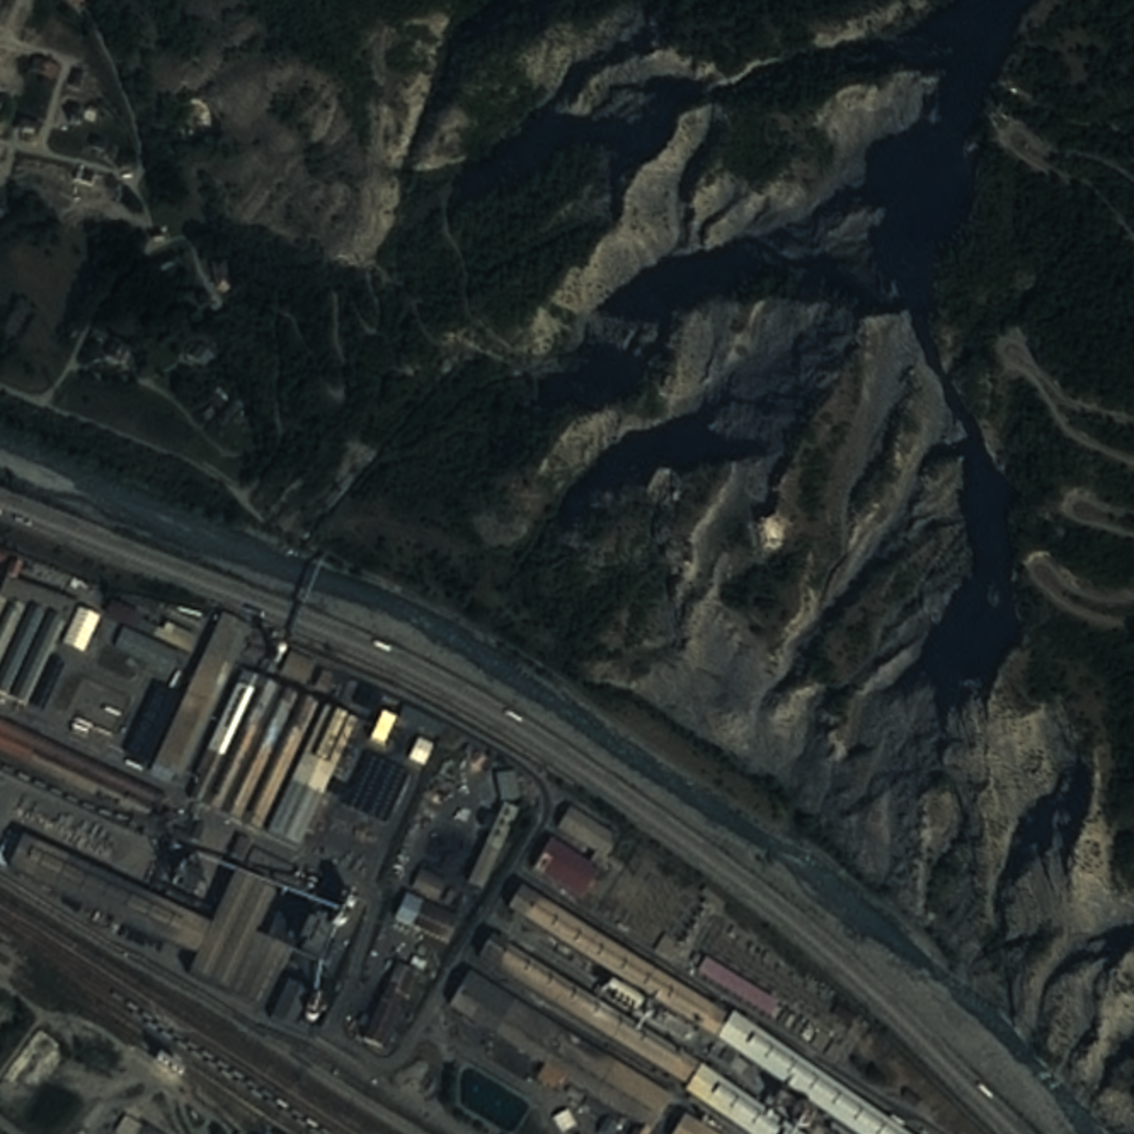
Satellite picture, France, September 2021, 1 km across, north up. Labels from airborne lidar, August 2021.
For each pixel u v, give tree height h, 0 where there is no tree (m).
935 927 8
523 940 0
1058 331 8
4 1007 0
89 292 17
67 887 0
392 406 8
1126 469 8
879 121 0
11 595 0
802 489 8
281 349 10
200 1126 0
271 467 6
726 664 0
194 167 0
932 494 0
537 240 6
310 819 0
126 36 12
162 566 0
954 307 10
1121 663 6
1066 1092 0
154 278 21
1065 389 13
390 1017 0
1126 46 10
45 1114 0
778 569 7
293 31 10
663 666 0
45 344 0
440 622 0
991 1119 0
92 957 0
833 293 9
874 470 6
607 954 0
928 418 0
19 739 0
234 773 0
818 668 11
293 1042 0
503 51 6
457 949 0
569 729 0
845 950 0
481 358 9
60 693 0
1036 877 0
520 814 7
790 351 0
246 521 8
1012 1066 0
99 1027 0
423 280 7
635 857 0
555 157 9
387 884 0
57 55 0
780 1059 0
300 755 0
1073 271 14
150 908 0
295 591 0
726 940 0
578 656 7
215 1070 0
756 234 0
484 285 9
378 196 0
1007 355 0
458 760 0
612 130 0
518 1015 0
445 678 0
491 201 8
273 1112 0
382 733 0
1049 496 10
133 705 0
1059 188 16
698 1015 0
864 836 0
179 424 0
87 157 0
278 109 8
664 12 8
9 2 0
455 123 0
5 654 0
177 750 0
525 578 7
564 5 10
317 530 6
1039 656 5
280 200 0
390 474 10
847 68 6
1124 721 8
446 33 12
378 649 0
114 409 0
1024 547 11
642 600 11
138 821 0
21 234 8
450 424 8
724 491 0
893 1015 0
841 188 0
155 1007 0
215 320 10
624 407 7
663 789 0
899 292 0
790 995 0
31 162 0
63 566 0
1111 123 7
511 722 0
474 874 0
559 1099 0
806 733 0
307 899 0
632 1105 0
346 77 6
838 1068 0
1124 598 0
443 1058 0
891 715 0
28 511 0
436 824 0
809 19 10
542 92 7
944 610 0
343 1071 0
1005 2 0
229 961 0
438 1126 0
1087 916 0
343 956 0
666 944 0
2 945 0
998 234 6
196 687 0
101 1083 0
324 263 11
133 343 6
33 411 6
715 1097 0
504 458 10
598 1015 0
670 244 0
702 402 0
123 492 0
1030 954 7
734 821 0
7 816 0
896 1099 0
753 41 10
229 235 13
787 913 0
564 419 6
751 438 0
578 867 0
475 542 10
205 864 0
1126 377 8
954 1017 0
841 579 0
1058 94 11
